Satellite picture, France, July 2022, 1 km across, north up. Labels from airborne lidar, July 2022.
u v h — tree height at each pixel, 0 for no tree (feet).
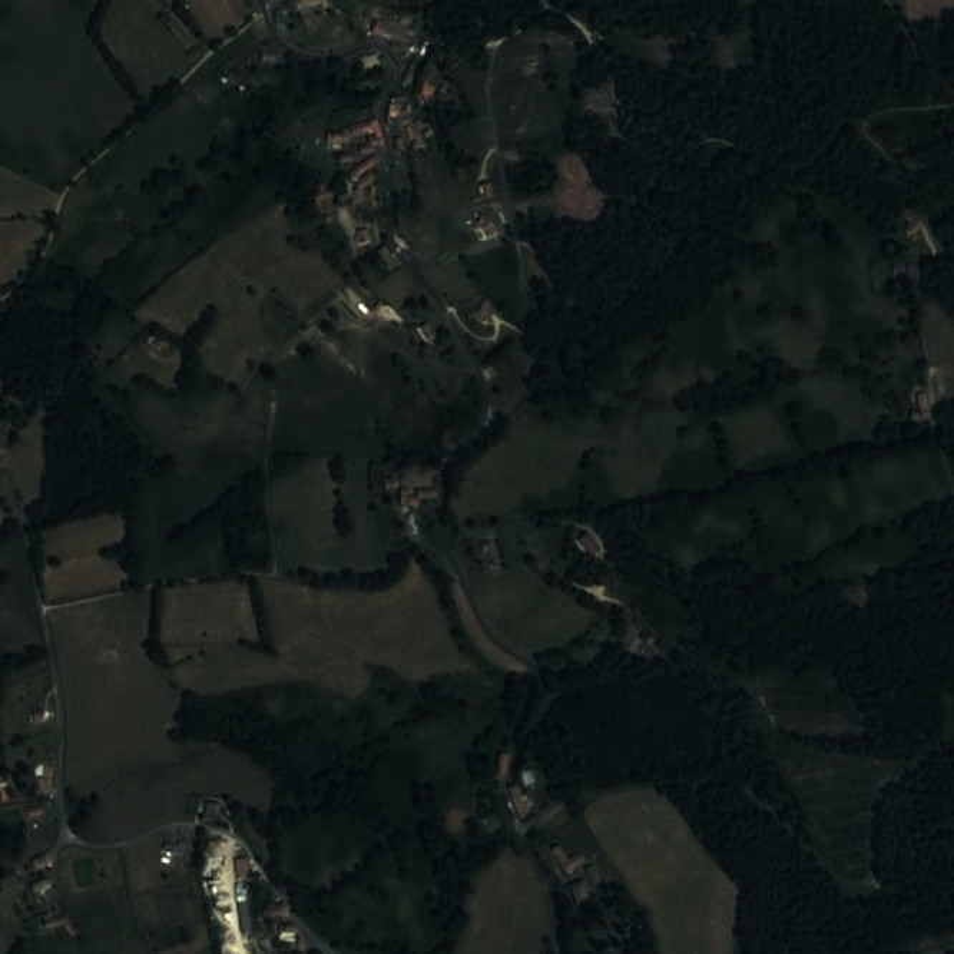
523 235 25
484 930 0
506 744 48
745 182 54
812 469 39
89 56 0
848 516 0
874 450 74
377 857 59
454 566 0
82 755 0
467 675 0
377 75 56
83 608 0
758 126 109
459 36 56
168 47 0
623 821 0
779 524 0
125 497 65
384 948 21
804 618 67
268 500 0
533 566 44
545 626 0
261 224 0
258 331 0
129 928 0
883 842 76
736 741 27
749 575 80
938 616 97
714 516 0
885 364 28
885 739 77
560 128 0
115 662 0
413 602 0
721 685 67
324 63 42
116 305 53
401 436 0
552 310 69
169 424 0
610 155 94
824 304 0
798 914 75
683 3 60
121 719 0
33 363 34
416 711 28
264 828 22
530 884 0
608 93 0
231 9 0
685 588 84
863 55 105
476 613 0
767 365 44
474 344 29
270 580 0
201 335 63
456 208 0
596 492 0
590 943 0
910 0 0
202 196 90
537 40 0
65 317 52
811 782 0
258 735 28
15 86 0
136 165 0
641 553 56
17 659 47
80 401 36
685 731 21
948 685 68
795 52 91
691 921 0
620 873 0
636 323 74
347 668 0
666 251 95
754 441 0
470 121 41
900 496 0
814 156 78
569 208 0
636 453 0
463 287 0
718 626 85
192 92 0
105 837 0
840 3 68
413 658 0
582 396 57
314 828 0
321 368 0
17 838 26
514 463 0
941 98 61
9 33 0
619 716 21
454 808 0
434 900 57
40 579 26
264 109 35
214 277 0
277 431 0
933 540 28
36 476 0
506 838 30
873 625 55
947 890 59
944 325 0
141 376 38
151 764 0
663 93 69
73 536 0
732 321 0
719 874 0
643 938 74
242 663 0
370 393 0
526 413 0
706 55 54
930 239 0
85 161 37
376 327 0
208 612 0
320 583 52
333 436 0
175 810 0
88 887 0
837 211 0
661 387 0
